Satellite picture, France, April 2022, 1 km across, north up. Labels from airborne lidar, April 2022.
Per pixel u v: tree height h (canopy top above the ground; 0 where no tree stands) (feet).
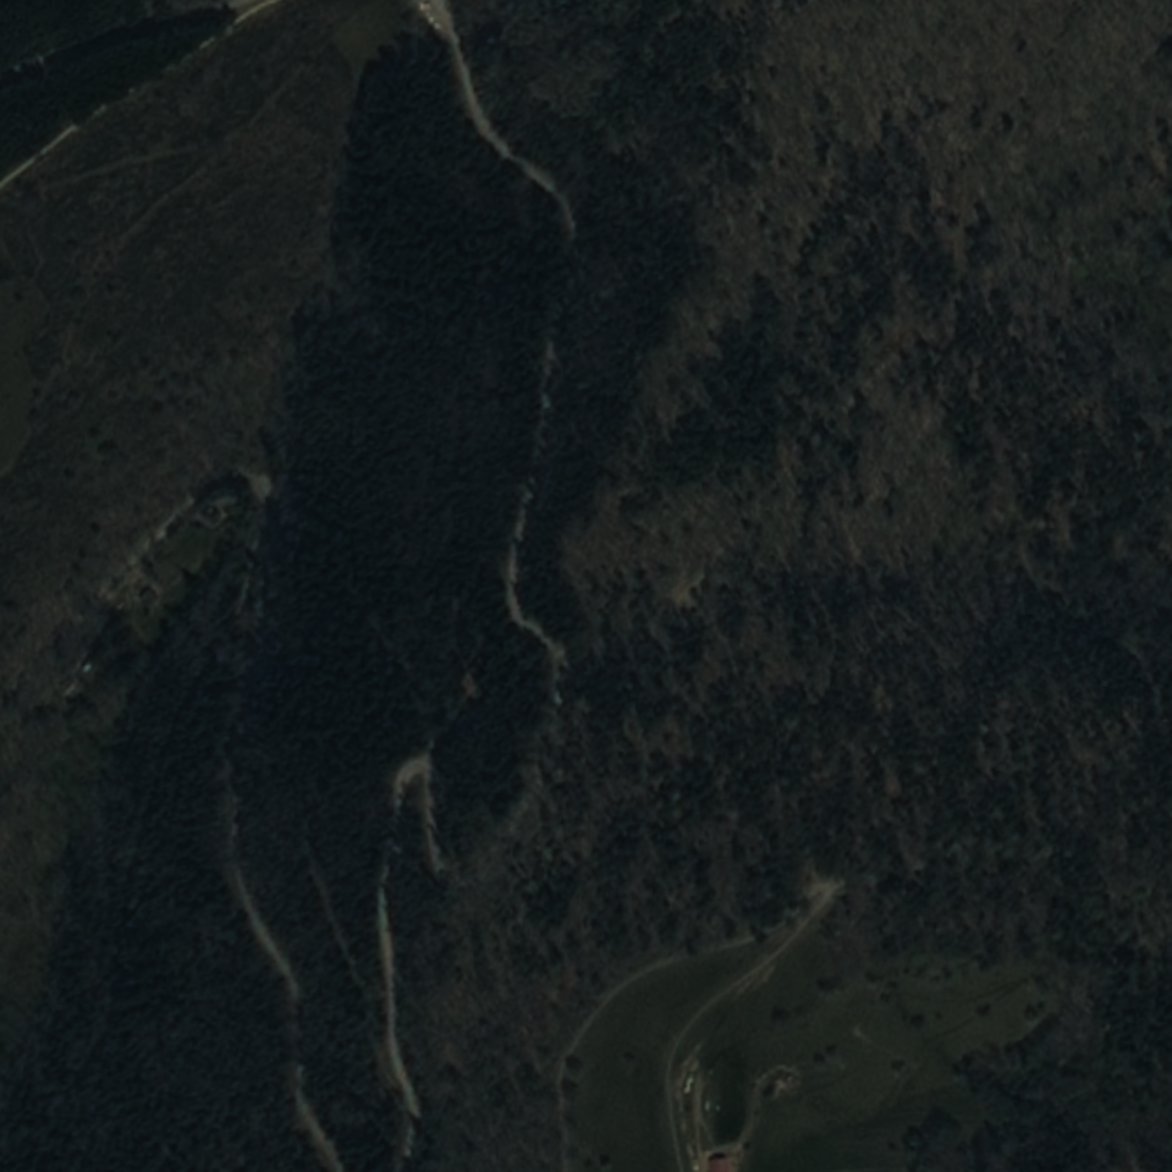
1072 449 92
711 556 87
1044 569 113
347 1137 40
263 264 0
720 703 86
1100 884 98
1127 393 76
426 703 98
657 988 0
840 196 86
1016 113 93
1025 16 87
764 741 95
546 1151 65
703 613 77
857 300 83
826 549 106
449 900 62
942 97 107
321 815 59
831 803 90
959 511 96
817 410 91
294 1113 77
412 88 99
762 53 59
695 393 75
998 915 91
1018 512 102
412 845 55
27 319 0
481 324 73
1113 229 100
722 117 67
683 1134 0
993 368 88
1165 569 129
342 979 69
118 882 92
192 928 78
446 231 115
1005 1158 98
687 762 37
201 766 78
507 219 101
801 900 53
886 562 109
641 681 27
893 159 102
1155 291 105
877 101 88
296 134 0
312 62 41
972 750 79
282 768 76
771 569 94
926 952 74
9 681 22
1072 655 76
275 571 72
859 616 77
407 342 86
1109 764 83
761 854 104
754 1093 0
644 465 61
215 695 89
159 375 40
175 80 0
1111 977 93
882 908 93
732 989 0
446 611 72
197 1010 81
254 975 67
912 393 103
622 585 74
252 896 56
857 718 96
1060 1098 92
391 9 0
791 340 84
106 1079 80
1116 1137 78
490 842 68
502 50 71
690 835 88
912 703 87
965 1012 0
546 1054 85
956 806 92
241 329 0
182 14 32
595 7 67
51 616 55
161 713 89
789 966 0
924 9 99
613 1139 0
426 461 78
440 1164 65
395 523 87
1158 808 90
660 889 96
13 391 0
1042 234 108
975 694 74
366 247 59
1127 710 83
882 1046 0
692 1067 0
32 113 60
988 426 108
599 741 80
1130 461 74
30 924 82
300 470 71
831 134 74
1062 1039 82
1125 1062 89
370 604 105
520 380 72
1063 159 115
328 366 93
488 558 62
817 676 76
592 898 104
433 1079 53
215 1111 86
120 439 0
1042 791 89
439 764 27
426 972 49
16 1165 93
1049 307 64
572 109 69
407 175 90
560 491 54
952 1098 0
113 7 53
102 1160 73
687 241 76
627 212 71
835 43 78
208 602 91
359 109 55
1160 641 89
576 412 65
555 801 74
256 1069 79
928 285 87
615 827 101
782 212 84
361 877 65
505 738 78
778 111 72
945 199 61
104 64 92
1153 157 92
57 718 71
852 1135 0
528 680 77
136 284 0
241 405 53
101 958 83
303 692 127
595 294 88
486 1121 81
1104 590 102
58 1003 86
